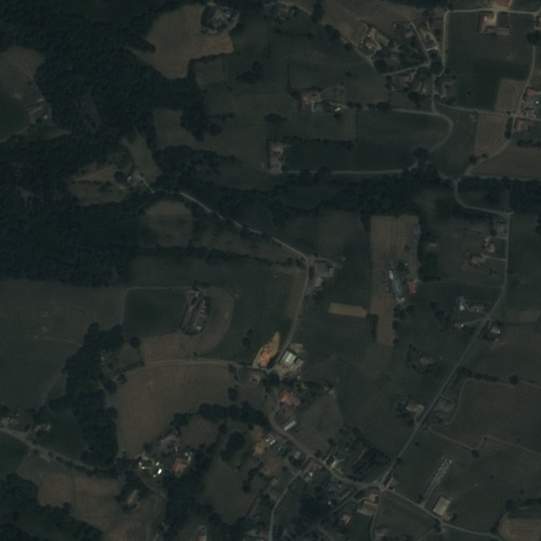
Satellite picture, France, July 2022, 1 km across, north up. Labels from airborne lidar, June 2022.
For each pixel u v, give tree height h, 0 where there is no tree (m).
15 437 0
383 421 0
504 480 0
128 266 16
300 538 0
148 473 0
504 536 0
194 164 16
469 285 0
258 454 0
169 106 18
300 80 0
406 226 0
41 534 0
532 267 0
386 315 0
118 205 7
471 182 22
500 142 0
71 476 0
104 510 0
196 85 17
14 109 0
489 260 0
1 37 23
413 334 0
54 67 23
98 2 0
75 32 26
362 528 0
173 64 0
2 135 0
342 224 0
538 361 0
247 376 0
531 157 0
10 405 0
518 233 0
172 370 0
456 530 0
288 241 0
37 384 0
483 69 0
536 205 31
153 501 0
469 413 0
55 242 0
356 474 6
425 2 28
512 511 20
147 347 0
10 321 0
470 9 0
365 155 0
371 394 0
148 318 0
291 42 0
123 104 17
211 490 0
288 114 0
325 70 0
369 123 0
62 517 25
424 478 0
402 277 0
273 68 0
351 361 0
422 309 0
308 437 0
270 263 7
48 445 0
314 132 0
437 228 0
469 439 0
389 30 0
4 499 28
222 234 0
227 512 0
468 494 0
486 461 0
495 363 0
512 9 0
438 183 15
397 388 0
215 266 14
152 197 6
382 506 0
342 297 0
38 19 10
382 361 0
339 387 0
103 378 17
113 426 14
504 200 0
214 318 0
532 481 0
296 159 0
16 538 20
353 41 0
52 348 0
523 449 0
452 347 0
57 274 16
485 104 0
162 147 0
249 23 0
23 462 0
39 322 0
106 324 0
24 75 0
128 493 10
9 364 0
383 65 20
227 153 0
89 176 0
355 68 0
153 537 0
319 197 0
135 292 0
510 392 0
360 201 23
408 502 0
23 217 9
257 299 0
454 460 0
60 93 19
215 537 0
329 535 0
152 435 0
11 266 11
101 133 7
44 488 0
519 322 0
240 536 17
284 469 7
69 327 0
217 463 0
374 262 0
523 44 0
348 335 0
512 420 0
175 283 0
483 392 0
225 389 0
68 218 23
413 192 0
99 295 0
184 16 0
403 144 0
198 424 0
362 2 0
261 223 0
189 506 26
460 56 0
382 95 0
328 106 11
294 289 0
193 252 14
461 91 0
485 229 0
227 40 0
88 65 14
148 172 0
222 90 0
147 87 19
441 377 0
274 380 23
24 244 19
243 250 0
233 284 0
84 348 13
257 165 0
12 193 25
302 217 6
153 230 0
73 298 0
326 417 0
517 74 0
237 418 19
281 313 0
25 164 6
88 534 19
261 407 0
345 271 0
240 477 0
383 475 0
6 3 22
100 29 17
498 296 0
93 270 19
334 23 0
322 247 0
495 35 6
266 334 0
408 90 6
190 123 7
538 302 0
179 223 0
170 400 0
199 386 0
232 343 0
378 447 0
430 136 0
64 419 0
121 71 28
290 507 0
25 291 0
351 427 0
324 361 0
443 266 0
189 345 0
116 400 0
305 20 0
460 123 0
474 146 0
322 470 9
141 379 0
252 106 0
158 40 0
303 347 0
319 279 0
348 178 0
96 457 12
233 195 19
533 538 0
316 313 0
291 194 0
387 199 26
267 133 0
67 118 19
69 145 14
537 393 0
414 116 0
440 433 0
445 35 0
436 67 17
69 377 12
